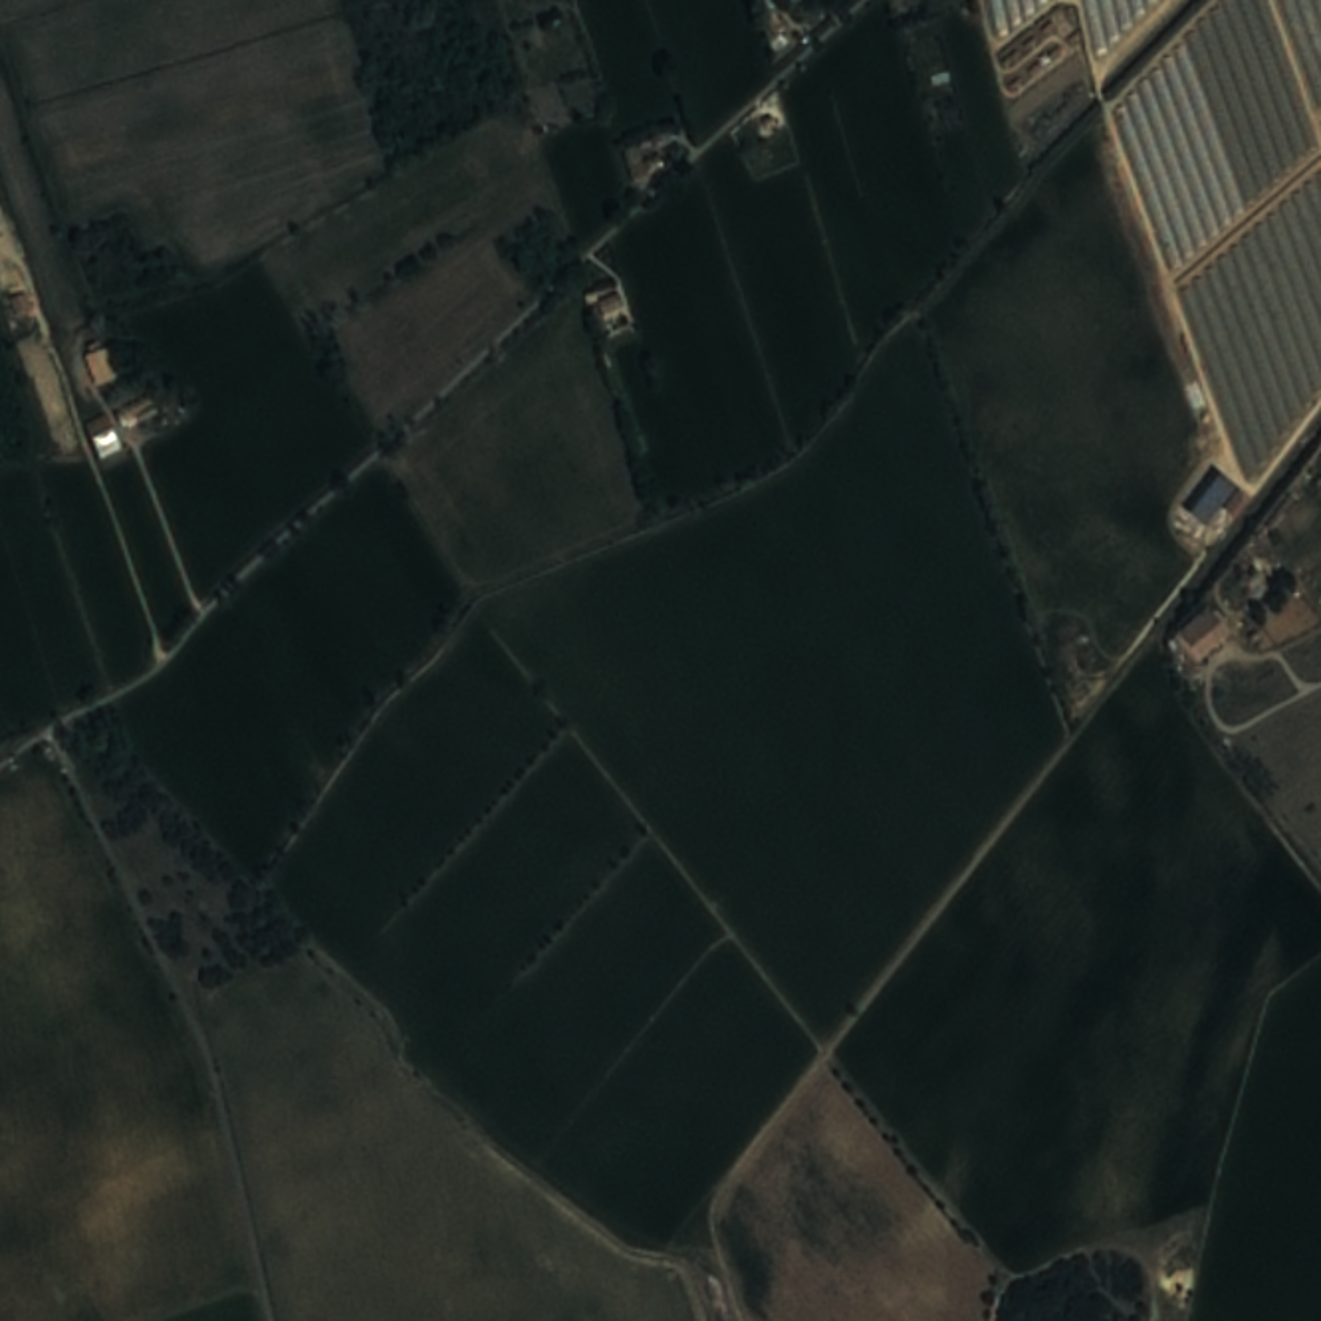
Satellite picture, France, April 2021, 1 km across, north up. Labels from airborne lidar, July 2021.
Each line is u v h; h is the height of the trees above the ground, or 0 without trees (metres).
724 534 0
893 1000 0
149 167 0
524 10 0
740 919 0
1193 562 0
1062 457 0
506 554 0
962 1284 0
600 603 0
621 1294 0
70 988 0
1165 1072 0
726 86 0
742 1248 0
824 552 0
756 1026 0
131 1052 0
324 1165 0
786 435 0
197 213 0
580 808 0
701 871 0
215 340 0
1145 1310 6
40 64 0
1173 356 0
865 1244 0
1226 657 0
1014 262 0
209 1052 0
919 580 0
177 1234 0
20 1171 0
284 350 0
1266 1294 0
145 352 8
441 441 0
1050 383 0
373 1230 0
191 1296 0
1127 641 0
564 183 0
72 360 0
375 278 0
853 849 0
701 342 0
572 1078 0
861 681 0
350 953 0
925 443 0
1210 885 0
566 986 0
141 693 0
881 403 0
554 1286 0
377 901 0
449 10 8
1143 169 0
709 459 0
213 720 0
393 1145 0
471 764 0
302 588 0
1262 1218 0
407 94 7
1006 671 0
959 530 0
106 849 0
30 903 0
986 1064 0
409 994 0
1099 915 0
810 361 0
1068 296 0
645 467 9
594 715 0
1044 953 0
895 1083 0
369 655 0
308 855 0
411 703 0
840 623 0
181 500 0
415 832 0
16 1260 0
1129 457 0
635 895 0
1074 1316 7
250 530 0
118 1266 0
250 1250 0
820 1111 0
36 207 0
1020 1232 0
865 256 0
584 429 0
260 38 0
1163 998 0
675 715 0
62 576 0
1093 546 0
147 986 0
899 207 0
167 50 0
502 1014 0
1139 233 0
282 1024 0
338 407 0
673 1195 0
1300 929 0
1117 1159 0
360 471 0
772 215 0
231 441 0
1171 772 0
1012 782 0
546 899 0
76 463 0
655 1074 0
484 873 0
